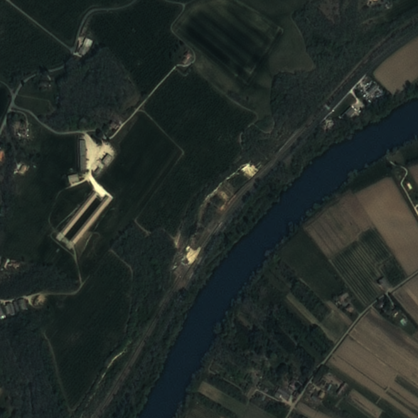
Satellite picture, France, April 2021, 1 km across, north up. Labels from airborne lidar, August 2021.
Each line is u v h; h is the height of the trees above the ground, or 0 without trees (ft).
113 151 0
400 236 0
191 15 0
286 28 0
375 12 53
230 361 70
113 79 64
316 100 89
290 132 31
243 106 0
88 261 0
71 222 0
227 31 0
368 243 0
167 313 41
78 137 0
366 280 0
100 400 51
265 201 45
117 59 41
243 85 0
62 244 0
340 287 0
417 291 0
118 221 0
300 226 78
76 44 0
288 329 40
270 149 61
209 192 42
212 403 46
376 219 0
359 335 0
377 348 0
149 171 0
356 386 0
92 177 0
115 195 0
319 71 52
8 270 38
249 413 0
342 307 25
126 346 107
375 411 0
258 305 36
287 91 60
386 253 0
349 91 0
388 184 0
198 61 0
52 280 71
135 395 36
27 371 54
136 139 0
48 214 0
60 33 0
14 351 31
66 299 0
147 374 46
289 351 51
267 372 38
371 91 0
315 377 39
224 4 0
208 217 72
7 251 0
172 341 21
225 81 0
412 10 46
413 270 0
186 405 80
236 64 0
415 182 0
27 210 0
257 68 0
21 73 20
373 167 35
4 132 22
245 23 0
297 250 0
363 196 0
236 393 59
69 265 0
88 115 79
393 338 0
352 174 34
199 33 0
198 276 67
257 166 23
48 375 48
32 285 55
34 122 0
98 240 0
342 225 0
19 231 0
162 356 59
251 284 47
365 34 32
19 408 66
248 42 0
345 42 81
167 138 0
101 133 61
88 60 67
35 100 0
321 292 0
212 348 77
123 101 63
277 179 86
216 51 0
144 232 59
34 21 0
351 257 0
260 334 82
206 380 0
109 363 101
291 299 0
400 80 0
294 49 0
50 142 0
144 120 0
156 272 88
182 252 0
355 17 66
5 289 59
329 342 30
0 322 32
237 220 60
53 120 57
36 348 60
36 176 0
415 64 0
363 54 41
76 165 0
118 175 0
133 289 36
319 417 0
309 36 62
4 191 37
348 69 48
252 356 53
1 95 0
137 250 74
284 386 38
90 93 70
